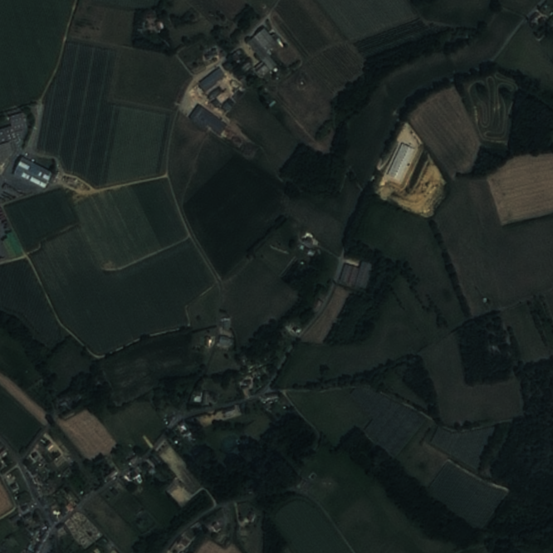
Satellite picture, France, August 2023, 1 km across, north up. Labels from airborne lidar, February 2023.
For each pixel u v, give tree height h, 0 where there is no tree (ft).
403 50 36
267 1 0
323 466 0
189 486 0
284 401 0
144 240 0
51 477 26
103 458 45
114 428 0
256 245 28
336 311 0
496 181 0
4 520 0
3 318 57
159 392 48
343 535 0
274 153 0
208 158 0
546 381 54
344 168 18
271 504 66
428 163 0
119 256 0
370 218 0
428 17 0
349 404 0
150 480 23
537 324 37
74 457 0
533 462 33
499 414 0
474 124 0
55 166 29
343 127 57
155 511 0
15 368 0
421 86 0
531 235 0
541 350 0
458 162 0
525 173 0
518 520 20
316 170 69
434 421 29
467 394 0
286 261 0
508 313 0
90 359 23
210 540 0
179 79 0
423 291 0
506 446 39
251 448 67
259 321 0
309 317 27
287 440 19
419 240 0
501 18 0
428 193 0
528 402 52
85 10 0
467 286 0
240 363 58
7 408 0
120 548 0
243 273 0
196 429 62
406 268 31
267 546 19
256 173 0
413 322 0
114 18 0
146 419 0
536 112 70
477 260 0
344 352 0
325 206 0
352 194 0
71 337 25
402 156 0
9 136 0
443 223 0
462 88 46
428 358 0
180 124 0
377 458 73
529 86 34
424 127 0
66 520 0
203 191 0
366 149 0
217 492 28
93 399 51
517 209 0
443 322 25
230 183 0
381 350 0
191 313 0
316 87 0
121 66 0
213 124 0
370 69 40
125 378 0
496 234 0
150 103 0
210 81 0
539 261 0
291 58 0
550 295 0
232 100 0
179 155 0
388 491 33
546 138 57
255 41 0
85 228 0
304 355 0
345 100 39
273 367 31
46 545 0
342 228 0
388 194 0
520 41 0
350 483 0
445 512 34
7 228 0
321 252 0
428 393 25
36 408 0
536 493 49
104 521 0
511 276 0
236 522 20
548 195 0
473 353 38
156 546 26
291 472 110
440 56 0
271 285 0
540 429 56
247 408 27
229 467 74
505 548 30
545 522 22
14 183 0
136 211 0
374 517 0
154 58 0
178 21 25
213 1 0
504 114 0
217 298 0
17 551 0
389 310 0
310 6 0
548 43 0
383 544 0
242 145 0
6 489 0
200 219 0
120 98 0
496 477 48
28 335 45
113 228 0
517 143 62
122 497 0
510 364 56
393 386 0
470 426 39
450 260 36
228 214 0
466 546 23
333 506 0
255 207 0
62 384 0
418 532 0
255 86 27
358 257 25
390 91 0
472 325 29
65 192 0
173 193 0
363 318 24
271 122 0
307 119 0
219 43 26
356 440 59
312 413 0
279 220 29
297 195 49
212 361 0
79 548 20
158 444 0
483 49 0
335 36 0
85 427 0
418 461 0
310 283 56
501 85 0
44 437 0
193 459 82
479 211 0
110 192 0
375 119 0
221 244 0
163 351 0
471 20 0
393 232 0
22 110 29
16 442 0
